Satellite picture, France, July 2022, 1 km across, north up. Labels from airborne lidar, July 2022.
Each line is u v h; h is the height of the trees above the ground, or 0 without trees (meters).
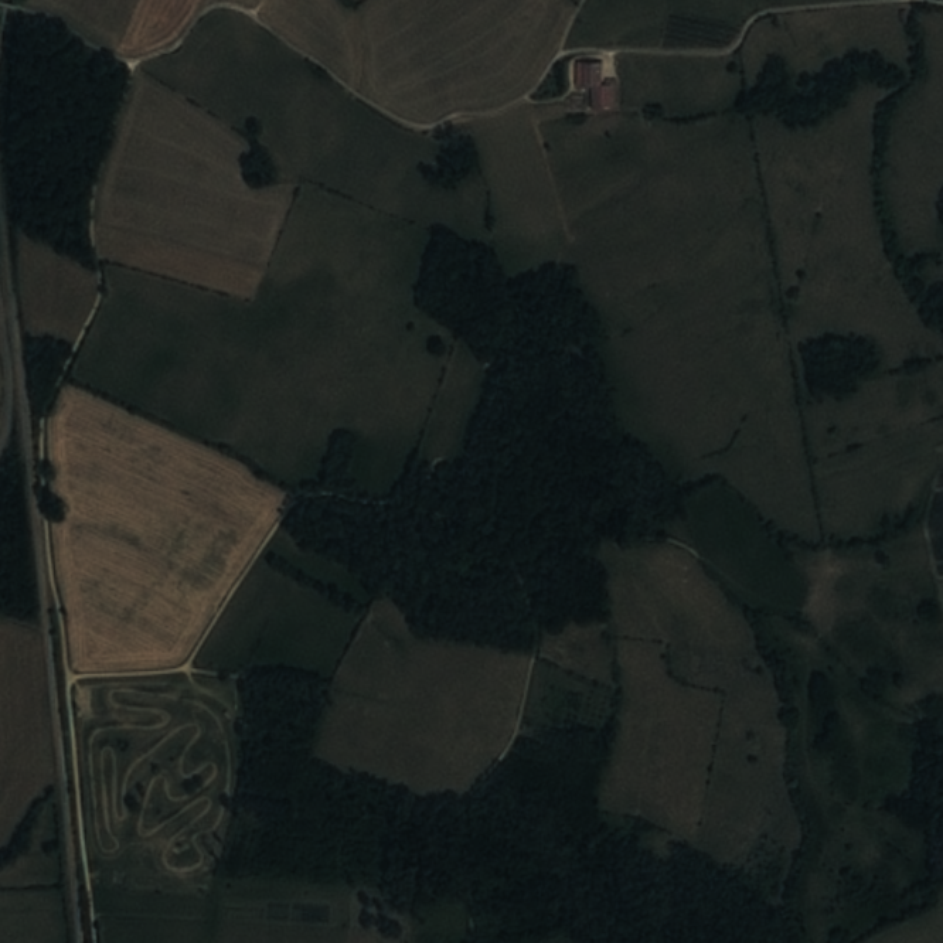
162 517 0
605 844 12
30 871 0
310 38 0
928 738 19
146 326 0
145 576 0
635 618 0
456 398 0
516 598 24
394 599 19
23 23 19
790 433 0
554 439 29
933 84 0
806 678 0
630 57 0
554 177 0
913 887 6
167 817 0
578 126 0
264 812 18
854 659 0
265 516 0
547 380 27
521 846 16
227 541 0
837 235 0
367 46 0
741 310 0
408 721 0
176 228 0
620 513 7
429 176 20
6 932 0
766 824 0
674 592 0
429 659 0
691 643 0
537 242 0
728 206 0
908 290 14
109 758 0
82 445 0
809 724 0
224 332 0
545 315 26
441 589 26
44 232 22
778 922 17
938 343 0
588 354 23
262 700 17
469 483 22
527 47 0
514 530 23
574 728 10
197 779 11
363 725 0
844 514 0
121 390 0
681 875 23
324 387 0
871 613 0
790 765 5
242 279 0
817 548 9
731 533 0
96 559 0
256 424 0
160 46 0
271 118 0
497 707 0
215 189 0
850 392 13
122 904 0
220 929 0
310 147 0
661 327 0
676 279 0
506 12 0
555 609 26
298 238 0
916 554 0
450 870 20
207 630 0
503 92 0
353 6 5
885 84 5
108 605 0
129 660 0
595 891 19
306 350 0
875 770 0
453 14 0
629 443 19
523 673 0
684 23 0
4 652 0
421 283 10
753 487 0
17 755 0
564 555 27
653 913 27
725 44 0
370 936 0
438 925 0
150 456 0
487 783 11
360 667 0
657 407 0
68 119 24
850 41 0
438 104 0
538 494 22
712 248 0
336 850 10
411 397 0
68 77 25
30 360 13
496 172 0
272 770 13
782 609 0
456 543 26
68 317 0
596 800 20
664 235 0
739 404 0
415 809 21
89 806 0
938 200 0
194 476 0
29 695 0
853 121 0
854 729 0
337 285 0
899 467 0
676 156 0
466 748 0
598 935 14
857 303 0
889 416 0
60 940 0
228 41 0
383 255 0
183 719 0
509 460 24
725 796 0
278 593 0
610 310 0
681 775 0
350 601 19
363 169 0
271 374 0
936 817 15
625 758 0
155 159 0
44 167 29
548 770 6
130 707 0
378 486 0
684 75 0
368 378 0
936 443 0
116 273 0
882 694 13
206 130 0
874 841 0
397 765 0
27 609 7
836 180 0
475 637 16
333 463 13
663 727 0
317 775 7
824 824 0
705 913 21
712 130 0
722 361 0
